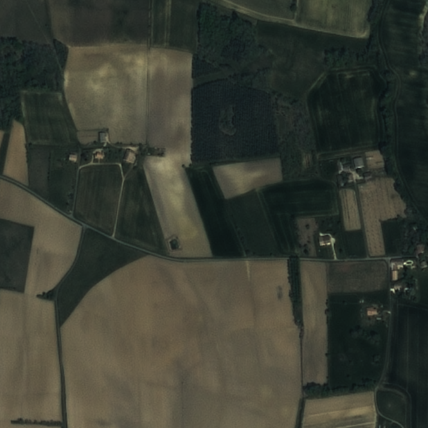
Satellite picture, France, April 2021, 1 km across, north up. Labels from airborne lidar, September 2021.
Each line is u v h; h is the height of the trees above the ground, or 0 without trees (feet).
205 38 48
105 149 36
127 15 0
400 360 0
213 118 35
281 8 0
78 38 0
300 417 0
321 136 0
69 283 0
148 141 0
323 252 0
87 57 0
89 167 0
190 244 0
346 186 21
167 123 0
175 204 0
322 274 0
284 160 36
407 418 0
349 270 0
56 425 32
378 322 24
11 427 0
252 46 69
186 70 0
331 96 0
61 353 0
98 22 0
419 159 0
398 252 0
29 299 0
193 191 0
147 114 0
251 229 0
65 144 0
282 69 0
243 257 0
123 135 0
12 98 52
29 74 26
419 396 0
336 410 0
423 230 35
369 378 0
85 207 0
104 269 0
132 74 0
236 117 42
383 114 62
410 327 0
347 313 0
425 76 0
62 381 0
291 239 0
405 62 0
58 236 0
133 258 0
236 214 0
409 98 0
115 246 0
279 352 0
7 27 0
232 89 24
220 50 43
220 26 51
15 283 0
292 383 0
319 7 0
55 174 0
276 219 0
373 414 0
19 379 0
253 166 0
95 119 0
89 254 0
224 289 0
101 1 0
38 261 0
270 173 0
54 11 0
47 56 64
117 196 0
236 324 0
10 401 0
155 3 0
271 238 0
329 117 0
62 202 0
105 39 0
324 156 0
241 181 0
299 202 0
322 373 0
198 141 36
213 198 0
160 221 0
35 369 0
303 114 60
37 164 0
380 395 0
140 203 0
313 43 0
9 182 0
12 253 0
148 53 0
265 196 0
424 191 0
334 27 0
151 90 0
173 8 0
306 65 0
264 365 0
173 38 0
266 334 0
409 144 0
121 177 0
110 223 0
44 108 0
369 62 42
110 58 0
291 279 38
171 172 0
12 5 0
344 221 0
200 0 0
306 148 53
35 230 0
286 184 0
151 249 0
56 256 0
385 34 0
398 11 0
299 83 0
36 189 0
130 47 0
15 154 0
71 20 0
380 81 0
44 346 0
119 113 0
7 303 0
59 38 0
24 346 0
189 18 0
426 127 0
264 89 49
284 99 57
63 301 0
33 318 0
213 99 35
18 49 91
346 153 0
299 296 46
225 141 29
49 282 0
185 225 0
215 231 0
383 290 0
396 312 0
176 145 0
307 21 0
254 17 0
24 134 0
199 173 0
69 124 0
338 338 0
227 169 0
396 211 24
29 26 0
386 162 34
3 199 0
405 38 0
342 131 0
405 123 0
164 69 0
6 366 0
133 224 0
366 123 0
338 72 0
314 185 0
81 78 0
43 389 0
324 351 0
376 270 0
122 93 0
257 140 31
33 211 0
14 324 0
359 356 0
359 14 0
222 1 0
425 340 0
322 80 0
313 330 0
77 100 0
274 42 0
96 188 0
